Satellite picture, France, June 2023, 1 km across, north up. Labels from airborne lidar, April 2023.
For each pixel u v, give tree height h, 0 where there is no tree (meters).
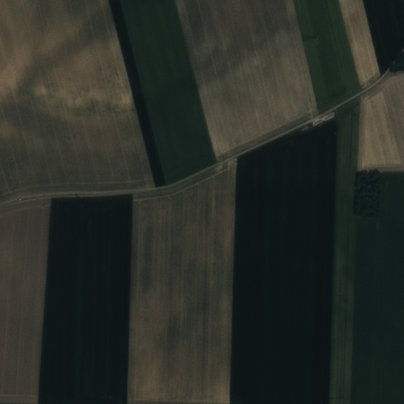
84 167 0
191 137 0
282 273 0
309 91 0
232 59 0
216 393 0
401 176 0
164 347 0
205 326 0
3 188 0
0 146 0
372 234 0
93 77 0
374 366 0
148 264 0
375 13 0
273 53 0
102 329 0
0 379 0
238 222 0
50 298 0
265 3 0
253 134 0
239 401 0
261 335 0
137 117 0
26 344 0
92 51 0
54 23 0
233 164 0
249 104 0
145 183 0
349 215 0
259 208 0
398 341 0
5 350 0
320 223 0
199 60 0
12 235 0
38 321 0
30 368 0
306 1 0
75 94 0
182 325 0
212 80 0
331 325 0
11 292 0
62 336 0
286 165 0
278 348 0
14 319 0
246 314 0
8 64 0
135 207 0
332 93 0
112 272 0
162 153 0
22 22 0
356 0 0
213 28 0
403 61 14
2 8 0
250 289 0
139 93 0
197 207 0
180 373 0
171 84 0
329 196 0
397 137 0
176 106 0
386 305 0
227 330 0
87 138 0
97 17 0
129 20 0
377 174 16
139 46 0
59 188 0
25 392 0
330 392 0
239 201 0
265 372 0
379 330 0
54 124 0
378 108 0
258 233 0
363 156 0
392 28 0
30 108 0
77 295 0
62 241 0
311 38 0
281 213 0
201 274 0
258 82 0
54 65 0
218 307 0
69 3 0
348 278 0
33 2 0
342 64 0
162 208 0
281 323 0
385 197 0
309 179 0
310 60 0
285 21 0
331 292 0
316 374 0
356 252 0
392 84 0
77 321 0
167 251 0
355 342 0
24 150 0
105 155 0
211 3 0
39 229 0
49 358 0
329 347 0
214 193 0
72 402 0
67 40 0
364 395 0
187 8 0
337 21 0
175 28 0
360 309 0
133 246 0
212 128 0
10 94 0
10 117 0
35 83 0
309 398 0
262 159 0
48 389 0
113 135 0
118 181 0
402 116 0
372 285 0
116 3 0
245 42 0
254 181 0
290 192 0
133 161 0
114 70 0
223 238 0
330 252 0
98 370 0
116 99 0
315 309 0
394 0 0
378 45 0
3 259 0
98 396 0
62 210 0
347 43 0
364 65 0
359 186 12
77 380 0
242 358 0
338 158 0
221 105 0
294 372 0
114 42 0
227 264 0
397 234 0
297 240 0
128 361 0
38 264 0
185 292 0
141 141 0
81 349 0
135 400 0
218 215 0
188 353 0
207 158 0
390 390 0
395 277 0
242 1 0
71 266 0
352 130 0
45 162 0
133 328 0
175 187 0
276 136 0
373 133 0
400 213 0
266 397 0
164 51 0
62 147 0
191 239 0
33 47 0
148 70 0
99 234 0
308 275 0
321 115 0
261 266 0
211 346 0
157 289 0
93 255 0
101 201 0
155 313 0
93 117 0
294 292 0
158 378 0
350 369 0
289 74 0
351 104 0
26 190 0
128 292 0
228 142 0
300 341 0
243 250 0
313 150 0
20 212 0
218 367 0
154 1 0
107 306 0
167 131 0
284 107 0
